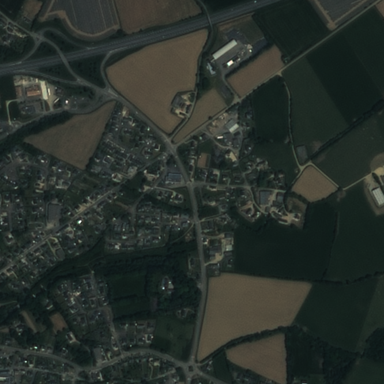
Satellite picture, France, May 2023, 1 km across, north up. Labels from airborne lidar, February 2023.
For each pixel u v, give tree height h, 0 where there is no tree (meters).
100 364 0
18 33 0
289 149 0
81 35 0
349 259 0
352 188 0
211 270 0
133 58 0
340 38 0
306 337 11
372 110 9
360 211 0
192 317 7
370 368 0
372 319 0
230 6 0
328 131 0
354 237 0
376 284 0
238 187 0
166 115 0
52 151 0
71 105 0
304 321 0
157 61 0
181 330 0
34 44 0
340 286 11
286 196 10
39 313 12
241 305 0
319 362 0
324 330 0
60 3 0
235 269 0
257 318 0
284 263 0
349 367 13
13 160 0
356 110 0
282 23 0
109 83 0
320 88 0
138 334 0
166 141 0
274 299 0
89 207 0
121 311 0
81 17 0
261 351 0
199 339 0
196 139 9
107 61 0
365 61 0
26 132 9
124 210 0
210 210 0
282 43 0
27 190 0
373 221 0
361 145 0
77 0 0
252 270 0
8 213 0
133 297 16
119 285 0
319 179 0
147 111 0
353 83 0
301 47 0
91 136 0
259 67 0
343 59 0
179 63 0
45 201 9
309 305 0
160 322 0
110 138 0
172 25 0
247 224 0
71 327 8
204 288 0
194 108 0
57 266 9
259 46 0
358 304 0
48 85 0
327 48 0
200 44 0
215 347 0
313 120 0
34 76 7
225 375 0
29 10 0
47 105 0
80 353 17
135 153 0
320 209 0
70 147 0
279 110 0
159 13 0
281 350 0
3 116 0
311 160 8
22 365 0
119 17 8
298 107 0
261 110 0
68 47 0
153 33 0
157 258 14
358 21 0
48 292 8
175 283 25
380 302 0
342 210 0
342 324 0
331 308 0
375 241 0
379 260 0
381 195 0
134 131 0
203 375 0
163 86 0
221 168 12
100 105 0
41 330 0
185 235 0
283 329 18
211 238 0
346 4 0
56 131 0
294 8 0
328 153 0
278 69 0
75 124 0
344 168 0
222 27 0
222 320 0
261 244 0
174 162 7
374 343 9
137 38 0
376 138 0
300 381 0
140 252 6
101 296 0
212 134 0
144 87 0
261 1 0
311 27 0
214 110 0
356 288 0
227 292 0
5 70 0
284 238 0
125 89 0
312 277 0
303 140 0
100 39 0
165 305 14
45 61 0
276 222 10
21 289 0
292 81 0
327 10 0
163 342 0
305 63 0
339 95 0
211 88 0
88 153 0
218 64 0
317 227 0
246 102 16
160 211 8
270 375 0
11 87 0
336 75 0
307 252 0
